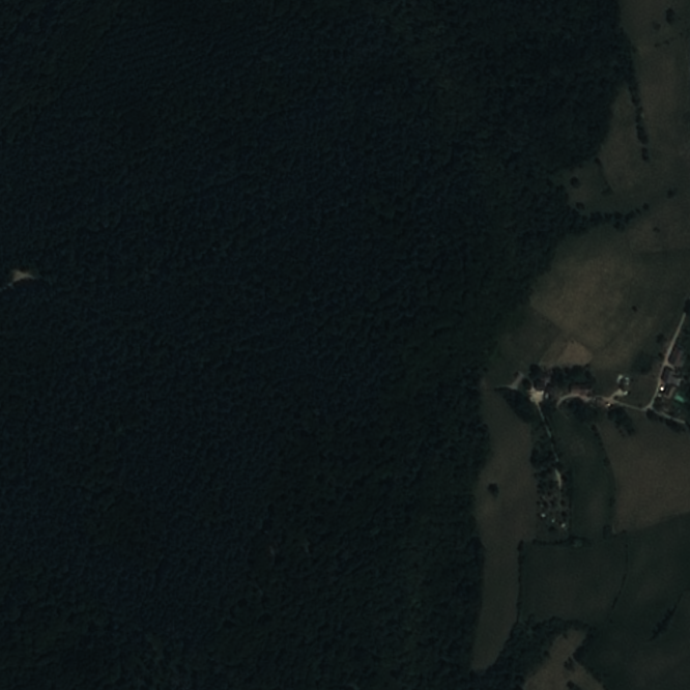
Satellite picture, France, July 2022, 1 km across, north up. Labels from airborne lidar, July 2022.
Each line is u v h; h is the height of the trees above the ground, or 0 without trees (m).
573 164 17
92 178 27
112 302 25
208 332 15
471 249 24
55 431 25
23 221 35
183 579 38
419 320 22
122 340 31
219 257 26
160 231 18
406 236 26
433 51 26
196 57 15
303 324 27
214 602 23
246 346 23
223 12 19
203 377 26
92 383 32
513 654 17
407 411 32
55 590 23
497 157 27
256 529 19
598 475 0
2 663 20
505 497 0
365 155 21
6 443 29
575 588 0
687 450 0
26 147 19
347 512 22
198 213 27
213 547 36
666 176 0
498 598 0
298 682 23
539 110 30
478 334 21
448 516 21
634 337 0
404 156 33
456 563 26
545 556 0
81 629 23
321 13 15
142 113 23
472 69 32
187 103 20
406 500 13
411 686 11
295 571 20
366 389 26
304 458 20
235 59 18
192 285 26
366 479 23
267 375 28
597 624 0
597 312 0
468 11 32
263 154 24
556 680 0
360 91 23
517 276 22
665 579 0
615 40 20
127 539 23
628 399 0
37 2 23
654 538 0
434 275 23
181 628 28
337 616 17
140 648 24
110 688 23
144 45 15
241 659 16
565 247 0
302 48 23
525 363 0
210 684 24
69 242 35
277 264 25
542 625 8
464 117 29
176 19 17
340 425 24
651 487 0
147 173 26
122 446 24
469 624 31
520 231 20
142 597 21
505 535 0
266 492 32
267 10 18
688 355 6
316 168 21
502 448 0
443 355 24
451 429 22
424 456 22
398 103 20
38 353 17
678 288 0
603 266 0
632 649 0
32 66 22
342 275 22
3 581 14
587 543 6
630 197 0
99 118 15
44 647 16
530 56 31
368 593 19
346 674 21
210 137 25
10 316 19
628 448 0
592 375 14
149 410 36
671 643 0
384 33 25
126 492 22
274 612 22
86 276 19
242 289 30
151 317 29
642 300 0
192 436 22
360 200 22
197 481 33
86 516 28
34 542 32
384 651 17
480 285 19
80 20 22
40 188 23
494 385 0
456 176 21
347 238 31
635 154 0
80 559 36
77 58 18
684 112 0
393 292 24
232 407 27
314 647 16
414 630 20
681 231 0
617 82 23
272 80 21
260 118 18
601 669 0
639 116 9
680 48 0
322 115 39
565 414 0
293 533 22
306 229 22
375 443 25
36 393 19
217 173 36
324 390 28
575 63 31
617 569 0
